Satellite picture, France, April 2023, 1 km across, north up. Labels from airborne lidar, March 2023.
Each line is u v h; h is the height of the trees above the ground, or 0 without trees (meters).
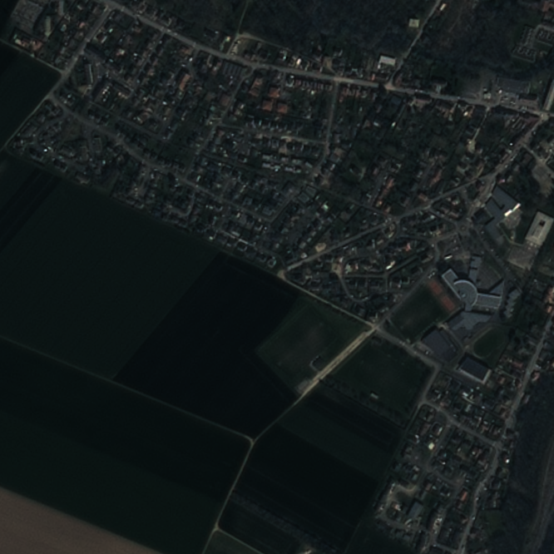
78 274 0
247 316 0
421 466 0
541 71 21
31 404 0
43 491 0
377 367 0
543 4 0
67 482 0
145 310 0
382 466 0
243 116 0
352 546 0
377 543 0
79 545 0
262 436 0
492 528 0
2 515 0
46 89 0
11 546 0
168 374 0
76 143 5
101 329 0
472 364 0
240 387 0
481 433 0
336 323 0
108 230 0
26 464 0
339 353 0
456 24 0
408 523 0
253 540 0
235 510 0
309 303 0
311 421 0
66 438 0
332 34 0
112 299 0
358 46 19
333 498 0
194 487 0
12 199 0
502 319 11
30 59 0
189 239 0
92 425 0
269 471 0
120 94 0
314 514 0
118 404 0
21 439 0
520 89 0
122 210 0
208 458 0
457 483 0
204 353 0
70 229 0
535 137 9
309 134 0
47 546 0
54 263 0
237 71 0
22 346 0
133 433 0
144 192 0
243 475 0
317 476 0
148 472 0
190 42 0
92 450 0
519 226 0
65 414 0
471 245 11
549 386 20
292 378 0
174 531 0
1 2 0
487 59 17
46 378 0
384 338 0
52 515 0
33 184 0
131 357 0
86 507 0
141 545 0
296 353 0
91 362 0
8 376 0
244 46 0
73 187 0
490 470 0
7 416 0
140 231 0
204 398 0
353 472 0
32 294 0
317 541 8
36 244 0
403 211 0
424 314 0
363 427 0
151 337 0
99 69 0
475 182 0
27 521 0
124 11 0
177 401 0
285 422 0
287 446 0
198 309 0
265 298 0
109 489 0
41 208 0
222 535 0
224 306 0
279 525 8
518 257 0
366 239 9
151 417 0
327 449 0
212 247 0
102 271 0
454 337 0
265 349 0
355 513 0
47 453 0
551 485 0
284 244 0
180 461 0
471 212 0
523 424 19
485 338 0
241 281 0
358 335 0
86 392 0
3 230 0
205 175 0
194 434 0
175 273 0
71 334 0
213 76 21
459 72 16
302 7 23
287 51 0
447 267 8
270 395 0
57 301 0
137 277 0
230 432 0
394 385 0
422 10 11
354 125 12
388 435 0
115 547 0
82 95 0
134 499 0
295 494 0
